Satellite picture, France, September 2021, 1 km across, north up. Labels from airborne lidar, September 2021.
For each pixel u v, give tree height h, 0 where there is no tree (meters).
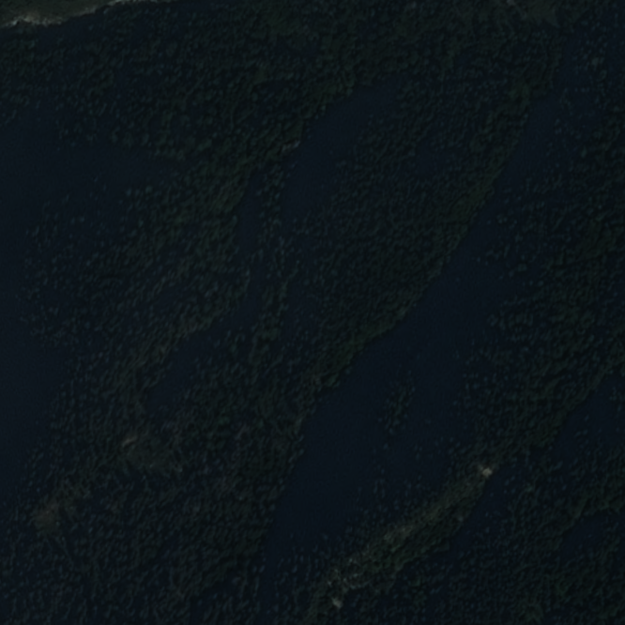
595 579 29
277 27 23
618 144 11
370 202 26
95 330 28
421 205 24
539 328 27
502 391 23
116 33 17
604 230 24
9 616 26
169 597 25
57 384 13
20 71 19
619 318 32
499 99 17
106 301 13
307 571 22
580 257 30
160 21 16
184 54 27
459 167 24
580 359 30
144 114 24
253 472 19
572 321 29
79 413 12
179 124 21
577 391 30
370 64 30
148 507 20
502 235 24
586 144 29
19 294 38
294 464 18
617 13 22
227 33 31
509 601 21
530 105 10
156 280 15
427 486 17
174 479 11
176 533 8
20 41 14
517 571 26
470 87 25
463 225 25
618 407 23
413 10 16
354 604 25
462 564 21
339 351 22
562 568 23
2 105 10
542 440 27
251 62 28
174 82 31
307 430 21
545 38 16
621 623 11
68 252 20
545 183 29
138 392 18
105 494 16
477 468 14
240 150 23
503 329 24
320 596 19
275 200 21
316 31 27
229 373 26
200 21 22
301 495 9
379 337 27
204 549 25
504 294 19
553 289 23
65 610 30
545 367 29
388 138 32
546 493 28
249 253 26
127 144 34
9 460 30
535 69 29
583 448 29
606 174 17
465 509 18
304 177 26
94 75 18
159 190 22
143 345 29
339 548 24
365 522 16
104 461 9
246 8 20
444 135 34
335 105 17
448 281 27
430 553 9
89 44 21
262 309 26
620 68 25
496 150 25
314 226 34
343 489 18
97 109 30
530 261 17
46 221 15
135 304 20
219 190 24
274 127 28
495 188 28
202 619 34
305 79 31
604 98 21
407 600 15
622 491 23
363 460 8
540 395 30
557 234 13
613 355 22
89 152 26
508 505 16
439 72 34
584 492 19
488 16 17
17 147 35
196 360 12
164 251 7
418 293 21
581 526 13
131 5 0
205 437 6
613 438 38
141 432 29
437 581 27
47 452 26
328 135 14
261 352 36
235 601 30
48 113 11
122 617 9
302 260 16
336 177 23
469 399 10
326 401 26
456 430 9
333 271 20
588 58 27
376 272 27
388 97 8
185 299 27
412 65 21
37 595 23
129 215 18
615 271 30
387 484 18
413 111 32
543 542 25
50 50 15
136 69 21
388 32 33
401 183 26
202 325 26
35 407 22
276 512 25
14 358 27
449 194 19
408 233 29
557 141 17
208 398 17
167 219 13
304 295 22
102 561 29
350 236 29
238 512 12
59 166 30
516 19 0
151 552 36
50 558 25
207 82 22
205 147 36
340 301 23
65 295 14
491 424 13
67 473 25
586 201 23
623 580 24
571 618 34
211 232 22
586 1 16
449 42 27
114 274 22
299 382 10
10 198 33
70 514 0
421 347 6
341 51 23
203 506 28
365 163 25
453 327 33
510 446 20
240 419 7
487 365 14
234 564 19
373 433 25
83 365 32
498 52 19
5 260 16
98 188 19
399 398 17
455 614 19
